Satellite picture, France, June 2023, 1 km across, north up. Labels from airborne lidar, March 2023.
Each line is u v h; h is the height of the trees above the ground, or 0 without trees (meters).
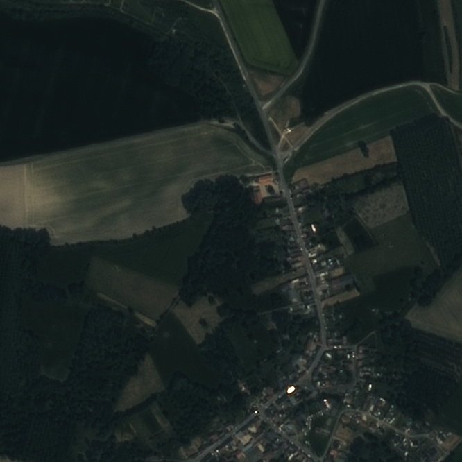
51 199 0
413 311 0
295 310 0
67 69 0
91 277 0
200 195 26
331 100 0
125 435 0
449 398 0
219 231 36
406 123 0
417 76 0
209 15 0
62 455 29
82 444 0
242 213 25
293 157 0
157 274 0
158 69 28
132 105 0
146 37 0
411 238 0
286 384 0
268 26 0
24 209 0
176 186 0
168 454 0
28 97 0
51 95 0
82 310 0
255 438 0
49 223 0
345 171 0
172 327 0
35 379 20
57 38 0
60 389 23
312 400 6
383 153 0
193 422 16
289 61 0
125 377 7
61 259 0
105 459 19
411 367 15
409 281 0
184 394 21
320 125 0
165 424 0
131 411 12
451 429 0
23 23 0
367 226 0
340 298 0
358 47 0
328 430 0
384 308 0
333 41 0
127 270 0
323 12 0
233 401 16
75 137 0
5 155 0
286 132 0
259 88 0
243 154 0
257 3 0
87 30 0
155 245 0
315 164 0
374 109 0
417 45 0
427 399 30
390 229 0
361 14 0
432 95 0
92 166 0
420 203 27
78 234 0
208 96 17
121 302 0
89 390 9
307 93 0
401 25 0
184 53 34
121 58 0
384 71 0
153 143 0
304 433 0
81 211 0
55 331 0
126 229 0
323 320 0
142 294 0
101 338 26
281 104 0
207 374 0
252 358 0
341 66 0
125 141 0
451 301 0
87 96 0
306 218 0
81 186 0
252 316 17
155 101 0
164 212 0
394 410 0
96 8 7
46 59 0
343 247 0
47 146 0
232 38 0
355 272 0
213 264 19
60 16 6
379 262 0
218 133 0
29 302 0
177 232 0
